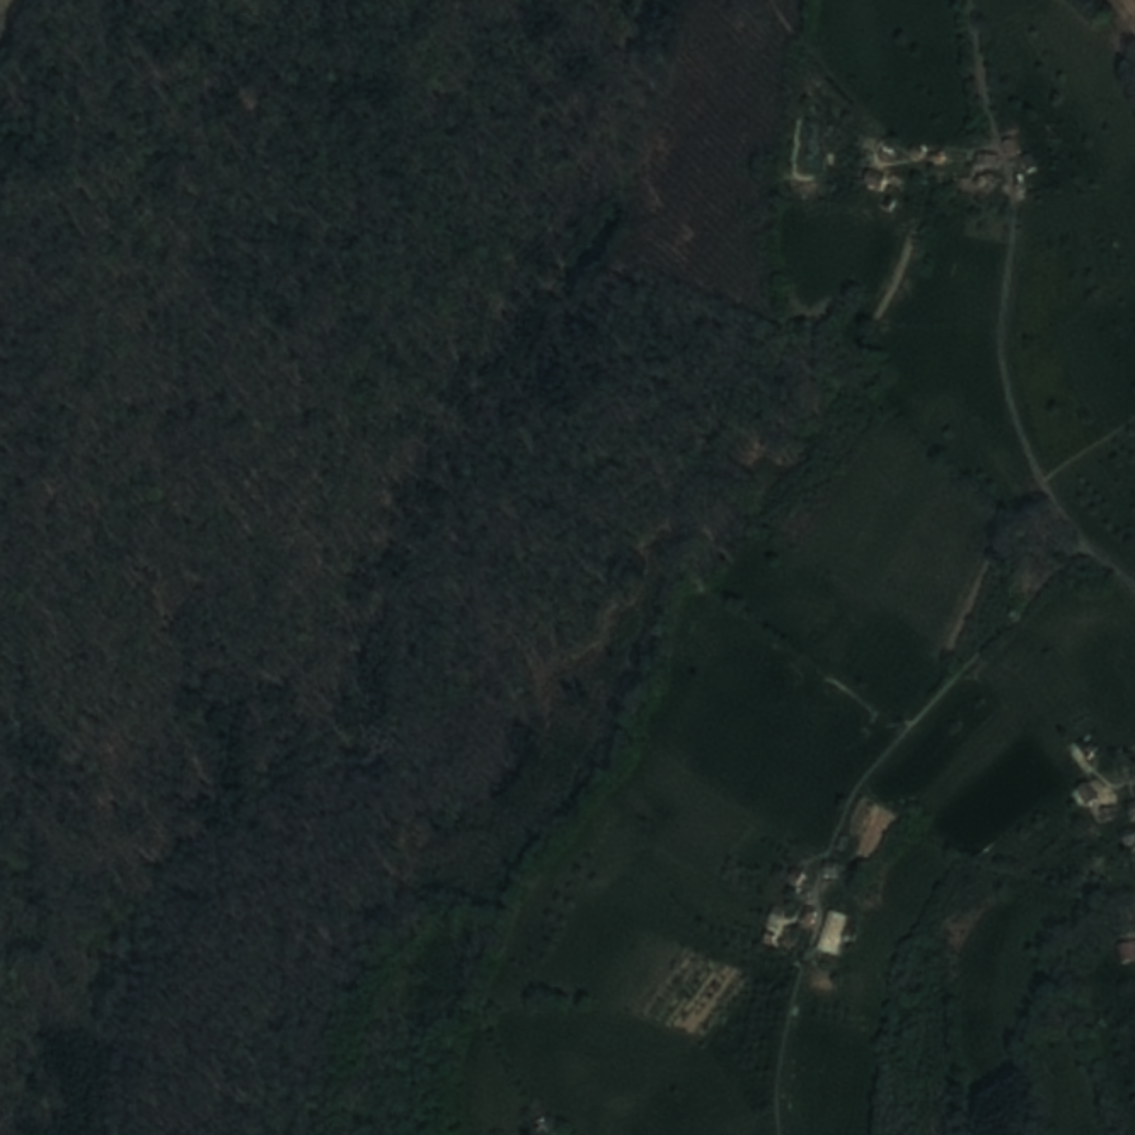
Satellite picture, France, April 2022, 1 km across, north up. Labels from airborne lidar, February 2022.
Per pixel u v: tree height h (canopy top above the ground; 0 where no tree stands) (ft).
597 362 90
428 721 91
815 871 0
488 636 83
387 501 96
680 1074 0
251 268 85
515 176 94
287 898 80
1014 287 0
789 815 0
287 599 93
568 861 0
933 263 20
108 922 85
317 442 84
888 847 28
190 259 94
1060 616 0
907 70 0
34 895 38
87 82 90
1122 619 0
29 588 81
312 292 88
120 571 86
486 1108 0
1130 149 0
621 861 0
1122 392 0
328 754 95
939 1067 22
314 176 82
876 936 0
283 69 83
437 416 85
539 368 93
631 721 94
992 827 0
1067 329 0
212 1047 74
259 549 85
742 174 39
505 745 95
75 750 84
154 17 89
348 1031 90
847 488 0
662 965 0
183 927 87
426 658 87
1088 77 0
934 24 0
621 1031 0
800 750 0
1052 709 0
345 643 86
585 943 0
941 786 0
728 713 0
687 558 107
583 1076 0
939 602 0
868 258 0
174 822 92
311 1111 103
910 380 0
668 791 0
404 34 83
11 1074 68
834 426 21
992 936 0
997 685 0
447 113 78
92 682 86
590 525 78
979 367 0
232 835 94
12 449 86
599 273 118
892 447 0
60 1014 105
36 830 101
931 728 0
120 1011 109
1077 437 0
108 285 91
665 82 115
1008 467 0
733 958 0
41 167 84
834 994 0
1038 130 0
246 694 78
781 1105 0
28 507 88
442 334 86
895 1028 39
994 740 0
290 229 82
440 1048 84
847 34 0
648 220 25
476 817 63
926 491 0
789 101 40
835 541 0
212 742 99
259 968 83
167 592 101
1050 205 0
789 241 0
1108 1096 62
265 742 96
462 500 88
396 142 93
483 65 81
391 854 86
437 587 105
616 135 72
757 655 0
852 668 0
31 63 93
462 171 86
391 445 87
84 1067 95
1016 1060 53
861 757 0
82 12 80
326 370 79
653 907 0
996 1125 96
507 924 60
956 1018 87
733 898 0
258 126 90
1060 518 90
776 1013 18
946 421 0
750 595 0
